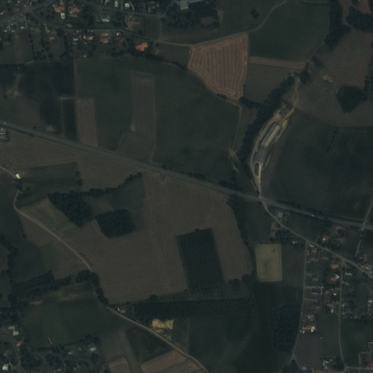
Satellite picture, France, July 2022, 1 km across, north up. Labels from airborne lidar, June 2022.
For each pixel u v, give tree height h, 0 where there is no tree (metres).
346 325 0
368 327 0
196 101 0
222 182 15
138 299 0
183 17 8
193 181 0
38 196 0
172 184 0
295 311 18
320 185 0
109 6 9
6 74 0
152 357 0
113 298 0
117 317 0
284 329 19
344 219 11
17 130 0
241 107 0
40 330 0
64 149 0
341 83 0
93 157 0
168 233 0
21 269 0
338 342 0
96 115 0
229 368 0
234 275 0
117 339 0
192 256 9
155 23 0
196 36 0
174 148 0
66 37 13
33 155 0
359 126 0
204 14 14
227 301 7
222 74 0
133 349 0
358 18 20
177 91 0
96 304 0
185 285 0
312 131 0
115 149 0
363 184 0
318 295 0
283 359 0
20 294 9
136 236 0
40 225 0
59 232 0
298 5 0
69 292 0
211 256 10
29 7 0
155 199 0
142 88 0
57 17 0
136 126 0
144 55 11
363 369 0
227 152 0
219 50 0
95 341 16
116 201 0
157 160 0
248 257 0
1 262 0
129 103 0
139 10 8
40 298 0
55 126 0
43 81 0
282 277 0
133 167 0
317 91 0
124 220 17
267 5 0
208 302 9
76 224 12
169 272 0
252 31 0
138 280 0
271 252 0
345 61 0
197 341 0
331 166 0
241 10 0
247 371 0
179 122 0
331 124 0
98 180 0
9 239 0
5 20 0
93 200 0
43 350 9
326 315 0
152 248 0
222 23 0
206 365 0
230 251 0
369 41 0
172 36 0
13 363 8
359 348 0
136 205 0
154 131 0
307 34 0
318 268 0
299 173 0
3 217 0
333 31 18
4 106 0
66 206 7
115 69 0
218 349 0
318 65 0
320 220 11
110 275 0
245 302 9
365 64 0
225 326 0
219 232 0
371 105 0
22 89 0
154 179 0
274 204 0
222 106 0
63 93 0
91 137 0
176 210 0
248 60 0
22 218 0
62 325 0
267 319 0
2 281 0
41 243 0
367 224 0
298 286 0
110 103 0
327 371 0
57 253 0
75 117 0
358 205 0
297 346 0
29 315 0
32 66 0
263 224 0
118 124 0
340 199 0
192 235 9
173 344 0
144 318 11
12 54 0
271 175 0
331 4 7
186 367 0
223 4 0
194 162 0
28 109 0
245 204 0
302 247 14
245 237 22
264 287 0
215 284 9
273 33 0
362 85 0
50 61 0
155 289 0
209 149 0
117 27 8
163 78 0
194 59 0
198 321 0
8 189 0
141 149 0
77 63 0
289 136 0
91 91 0
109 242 0
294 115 0
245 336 0
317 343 0
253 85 0
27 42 0
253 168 0
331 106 0
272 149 0
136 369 0
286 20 0
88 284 0
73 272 0
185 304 10
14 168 0
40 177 0
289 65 0
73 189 0
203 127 0
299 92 0
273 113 7
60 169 0
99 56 0
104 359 0
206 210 0
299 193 0
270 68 0
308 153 0
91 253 0
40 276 8
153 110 0
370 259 0
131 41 7
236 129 0
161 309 11
